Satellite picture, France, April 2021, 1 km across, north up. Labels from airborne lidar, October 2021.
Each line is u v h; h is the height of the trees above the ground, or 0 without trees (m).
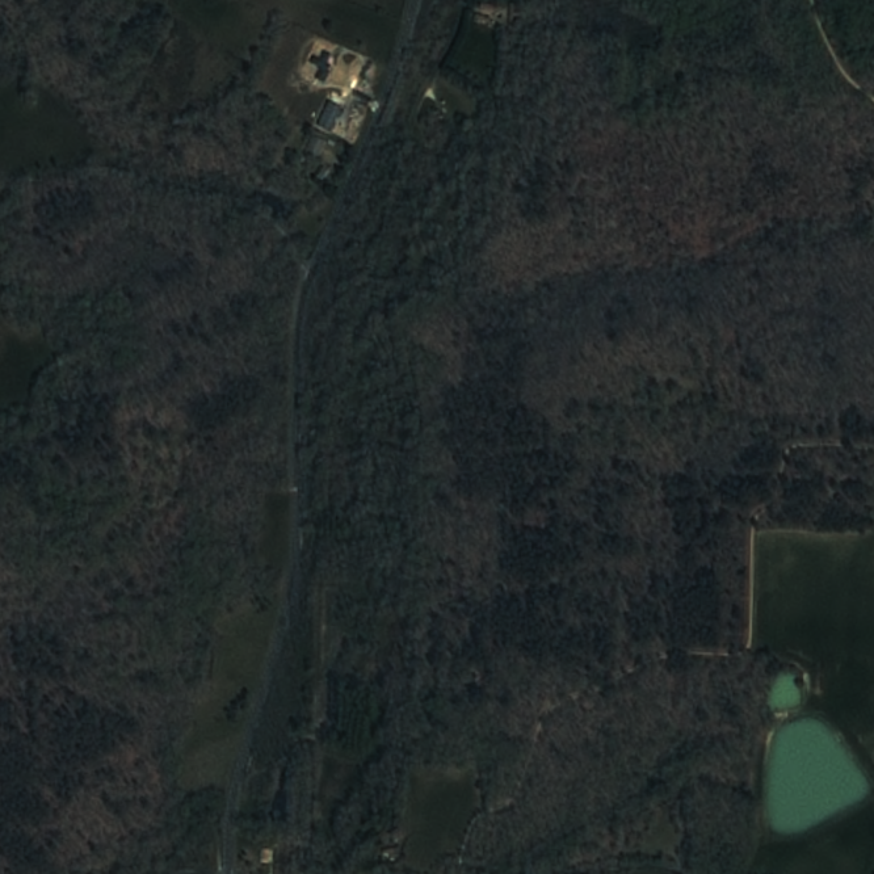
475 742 18
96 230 16
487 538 19
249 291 19
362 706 0
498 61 11
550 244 14
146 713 16
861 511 14
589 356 14
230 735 0
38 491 23
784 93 20
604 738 16
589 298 18
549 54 17
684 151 19
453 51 10
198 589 21
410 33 0
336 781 0
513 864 21
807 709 0
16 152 0
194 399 15
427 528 19
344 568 19
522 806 18
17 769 25
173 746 18
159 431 10
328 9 0
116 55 23
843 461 16
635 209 13
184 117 12
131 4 17
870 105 19
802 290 16
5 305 20
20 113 0
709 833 24
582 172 14
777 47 16
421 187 15
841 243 16
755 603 0
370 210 15
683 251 14
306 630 20
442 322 16
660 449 14
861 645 0
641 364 14
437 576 16
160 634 21
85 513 20
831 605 0
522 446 22
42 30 19
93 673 14
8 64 13
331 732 0
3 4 15
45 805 20
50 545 21
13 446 13
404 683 22
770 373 18
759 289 14
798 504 20
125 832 12
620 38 8
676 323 15
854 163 10
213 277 15
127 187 20
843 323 15
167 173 18
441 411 13
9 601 20
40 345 0
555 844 23
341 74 0
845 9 15
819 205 9
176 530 10
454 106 0
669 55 14
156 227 18
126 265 14
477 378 25
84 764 11
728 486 14
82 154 0
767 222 16
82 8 17
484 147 10
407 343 20
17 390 0
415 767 22
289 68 0
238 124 21
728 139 11
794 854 0
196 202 20
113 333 15
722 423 15
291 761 20
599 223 12
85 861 19
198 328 17
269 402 19
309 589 16
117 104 18
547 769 19
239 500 15
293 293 18
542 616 23
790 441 8
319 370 22
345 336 24
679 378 15
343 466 18
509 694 19
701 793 22
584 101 10
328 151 0
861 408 7
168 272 12
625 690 16
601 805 18
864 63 19
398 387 14
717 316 18
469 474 21
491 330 12
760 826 16
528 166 17
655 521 14
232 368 23
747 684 20
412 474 19
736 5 20
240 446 11
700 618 26
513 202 10
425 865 0
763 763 0
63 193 13
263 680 0
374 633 17
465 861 21
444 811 0
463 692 14
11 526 18
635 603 21
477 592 12
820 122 16
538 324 18
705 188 19
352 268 16
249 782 20
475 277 7
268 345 22
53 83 15
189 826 15
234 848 0
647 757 22
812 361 20
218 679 0
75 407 10
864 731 0
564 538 16
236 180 19
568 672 15
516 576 23
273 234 21
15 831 19
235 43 0
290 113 0
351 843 16
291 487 13
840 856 0
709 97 12
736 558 6
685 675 22
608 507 24
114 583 13
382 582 12
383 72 0
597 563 11
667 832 0
